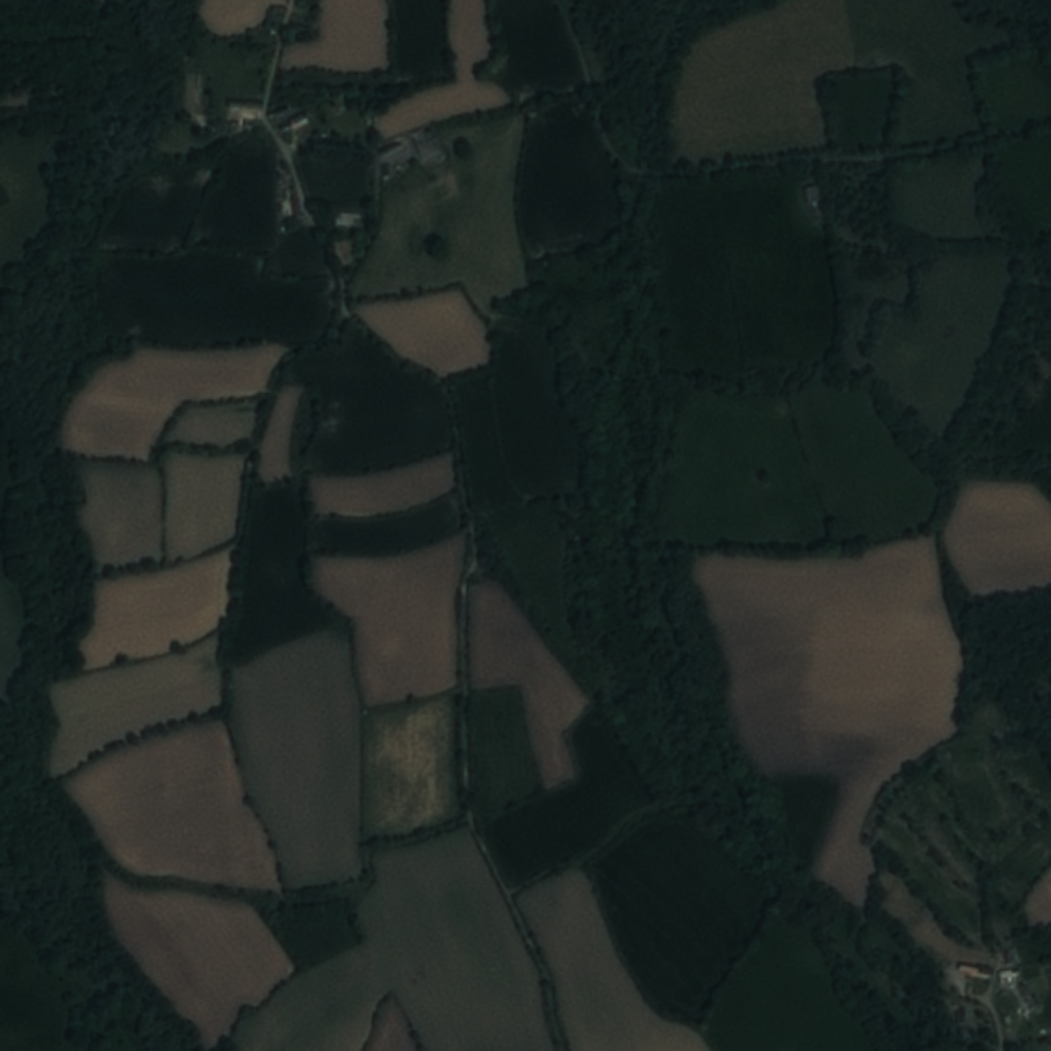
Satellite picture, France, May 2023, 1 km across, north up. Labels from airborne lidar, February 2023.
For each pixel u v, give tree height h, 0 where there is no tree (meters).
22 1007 0
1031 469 14
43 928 12
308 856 0
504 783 0
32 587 16
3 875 10
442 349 0
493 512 0
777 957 0
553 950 0
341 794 0
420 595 0
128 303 0
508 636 0
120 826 0
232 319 0
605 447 23
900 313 14
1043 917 0
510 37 0
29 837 13
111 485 0
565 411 15
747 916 0
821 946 10
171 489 0
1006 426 10
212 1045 0
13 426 18
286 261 0
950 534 0
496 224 0
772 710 0
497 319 0
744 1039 0
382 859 0
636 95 15
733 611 0
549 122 0
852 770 0
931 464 19
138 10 12
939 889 0
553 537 0
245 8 0
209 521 0
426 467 0
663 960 0
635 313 14
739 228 0
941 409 0
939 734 0
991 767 0
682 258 0
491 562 8
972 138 10
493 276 0
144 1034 8
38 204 0
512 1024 0
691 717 14
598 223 0
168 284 0
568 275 0
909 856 0
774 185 0
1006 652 11
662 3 9
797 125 0
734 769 17
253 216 0
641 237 17
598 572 7
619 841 0
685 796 13
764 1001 0
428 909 0
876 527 0
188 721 7
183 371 0
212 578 0
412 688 0
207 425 0
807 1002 0
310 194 0
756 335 0
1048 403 0
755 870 12
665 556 15
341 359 0
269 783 0
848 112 0
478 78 13
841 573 0
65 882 17
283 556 0
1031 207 0
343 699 0
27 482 16
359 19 0
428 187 0
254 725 0
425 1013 0
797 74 0
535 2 0
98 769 0
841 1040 0
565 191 0
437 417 0
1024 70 0
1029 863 0
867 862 0
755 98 0
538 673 0
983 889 20
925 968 13
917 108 0
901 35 0
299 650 0
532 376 0
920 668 0
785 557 14
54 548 7
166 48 12
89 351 7
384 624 0
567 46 0
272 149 0
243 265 0
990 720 0
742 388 11
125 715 0
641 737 15
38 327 9
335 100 11
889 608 0
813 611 0
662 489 0
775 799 13
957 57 0
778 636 0
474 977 0
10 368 15
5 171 0
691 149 0
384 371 0
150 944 0
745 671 0
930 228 0
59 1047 0
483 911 0
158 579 0
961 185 0
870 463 0
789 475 0
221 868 0
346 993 0
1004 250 12
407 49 0
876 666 0
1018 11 11
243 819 0
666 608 20
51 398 12
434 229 0
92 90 8
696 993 0
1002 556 0
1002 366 8
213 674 0
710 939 0
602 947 0
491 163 0
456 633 0
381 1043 0
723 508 0
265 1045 0
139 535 0
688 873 0
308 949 0
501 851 0
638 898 0
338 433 0
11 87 7
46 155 0
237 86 0
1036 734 15
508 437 0
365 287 0
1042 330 9
